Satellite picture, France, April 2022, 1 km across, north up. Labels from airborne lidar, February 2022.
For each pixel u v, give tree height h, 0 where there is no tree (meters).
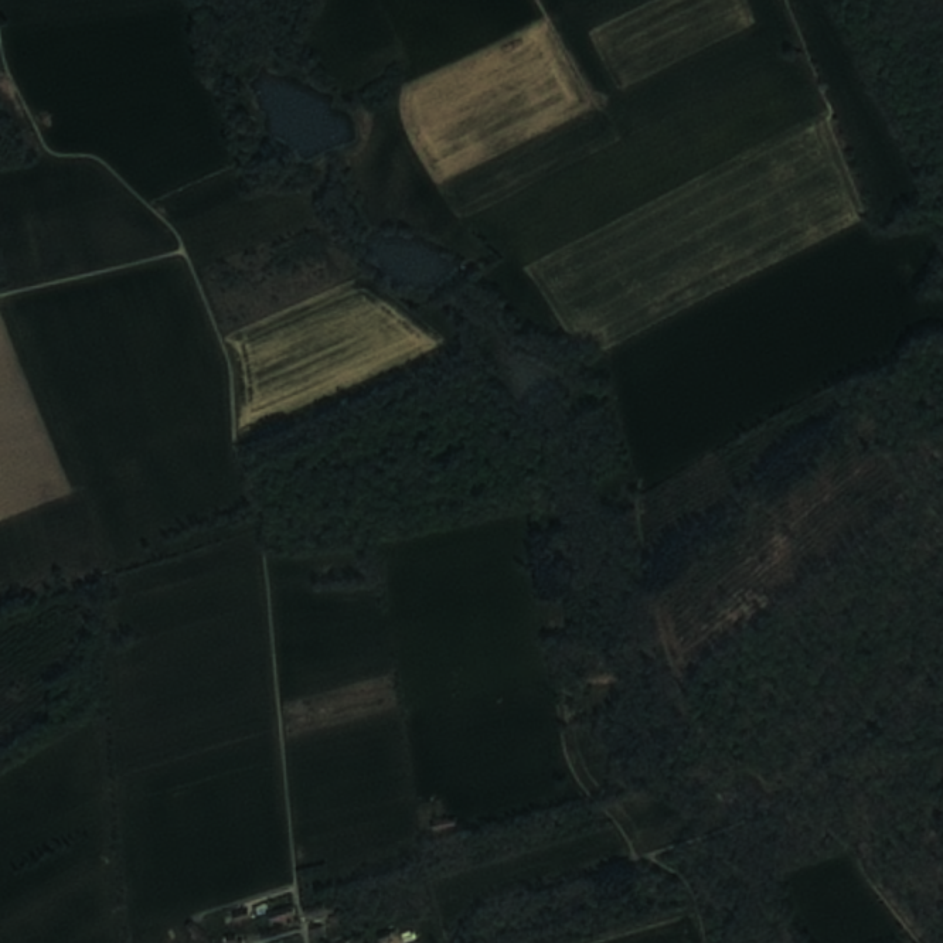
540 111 0
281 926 13
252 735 0
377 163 0
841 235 0
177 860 0
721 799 0
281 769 0
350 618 0
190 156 0
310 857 0
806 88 0
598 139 0
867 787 27
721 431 0
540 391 16
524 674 0
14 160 18
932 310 0
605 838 0
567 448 23
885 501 0
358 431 20
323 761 0
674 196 0
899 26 27
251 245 0
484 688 0
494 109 0
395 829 0
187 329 0
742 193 0
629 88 0
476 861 10
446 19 0
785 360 0
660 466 0
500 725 0
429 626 0
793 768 23
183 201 0
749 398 0
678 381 0
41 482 0
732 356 0
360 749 0
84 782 0
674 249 0
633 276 0
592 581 21
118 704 0
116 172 0
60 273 0
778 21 0
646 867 22
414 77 0
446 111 0
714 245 0
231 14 23
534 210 0
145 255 0
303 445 21
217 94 7
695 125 0
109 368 0
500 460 22
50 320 0
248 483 20
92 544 0
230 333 0
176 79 0
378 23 0
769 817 24
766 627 23
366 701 0
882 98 19
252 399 0
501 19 0
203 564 0
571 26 0
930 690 21
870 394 24
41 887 0
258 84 0
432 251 0
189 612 0
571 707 18
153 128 0
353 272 0
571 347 20
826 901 0
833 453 21
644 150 0
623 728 25
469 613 0
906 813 25
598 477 15
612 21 0
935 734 27
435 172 0
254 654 0
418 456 26
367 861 0
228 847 0
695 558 26
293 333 0
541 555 28
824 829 21
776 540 0
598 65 0
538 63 0
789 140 0
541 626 0
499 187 0
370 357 0
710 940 6
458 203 0
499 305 17
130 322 0
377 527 25
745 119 0
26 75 0
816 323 0
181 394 0
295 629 0
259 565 0
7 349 0
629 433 0
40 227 0
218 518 15
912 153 7
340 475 22
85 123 0
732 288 0
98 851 0
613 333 0
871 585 24
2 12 0
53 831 0
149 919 0
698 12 0
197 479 0
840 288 0
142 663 0
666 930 0
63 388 0
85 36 0
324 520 15
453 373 24
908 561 23
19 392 0
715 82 0
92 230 0
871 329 0
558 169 0
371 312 0
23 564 0
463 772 0
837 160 0
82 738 0
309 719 0
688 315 0
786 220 0
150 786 0
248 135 9
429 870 14
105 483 0
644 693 26
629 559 21
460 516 23
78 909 0
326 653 0
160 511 0
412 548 0
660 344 0
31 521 0
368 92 6
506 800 0
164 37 0
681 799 26
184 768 0
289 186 7
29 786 0
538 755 0
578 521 24
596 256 0
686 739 23
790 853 27
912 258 0
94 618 15
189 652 0
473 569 0
